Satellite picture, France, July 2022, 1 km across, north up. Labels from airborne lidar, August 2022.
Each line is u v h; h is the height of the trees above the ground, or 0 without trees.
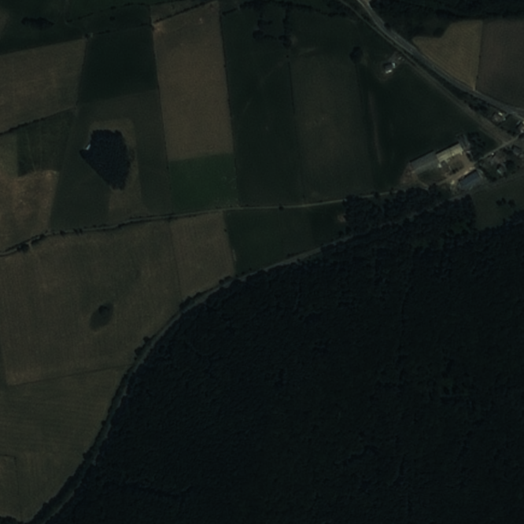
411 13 19
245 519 20
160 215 0
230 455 20
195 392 26
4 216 0
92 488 27
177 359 27
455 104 0
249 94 0
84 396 0
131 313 0
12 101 0
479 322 22
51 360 0
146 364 8
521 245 26
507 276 23
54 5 0
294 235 0
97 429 0
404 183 0
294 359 27
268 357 28
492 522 25
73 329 0
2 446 0
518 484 26
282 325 25
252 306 18
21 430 0
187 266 0
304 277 25
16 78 0
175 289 0
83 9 0
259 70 0
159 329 0
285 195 0
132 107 0
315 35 0
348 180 0
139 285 0
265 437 17
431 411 26
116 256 0
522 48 0
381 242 19
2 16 0
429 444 28
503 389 24
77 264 0
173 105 0
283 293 23
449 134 0
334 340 27
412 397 25
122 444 26
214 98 0
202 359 26
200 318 24
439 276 26
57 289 0
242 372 22
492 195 0
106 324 0
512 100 0
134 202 0
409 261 17
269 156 0
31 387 0
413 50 0
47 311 0
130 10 0
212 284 0
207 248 0
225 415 24
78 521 28
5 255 0
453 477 26
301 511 28
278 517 21
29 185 0
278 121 0
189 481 21
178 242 0
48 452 0
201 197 0
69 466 0
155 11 0
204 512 20
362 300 22
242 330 25
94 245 0
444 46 0
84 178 0
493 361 25
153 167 0
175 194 0
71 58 0
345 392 27
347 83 0
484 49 0
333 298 25
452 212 21
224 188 0
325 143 0
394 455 28
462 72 0
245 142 0
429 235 21
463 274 26
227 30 0
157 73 0
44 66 0
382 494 28
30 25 14
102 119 0
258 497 22
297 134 0
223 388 22
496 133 0
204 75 0
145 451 23
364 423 27
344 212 0
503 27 0
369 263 12
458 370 26
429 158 0
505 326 24
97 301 0
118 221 0
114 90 0
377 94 0
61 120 0
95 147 22
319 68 0
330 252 15
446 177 0
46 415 0
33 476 0
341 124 0
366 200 6
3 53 0
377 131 0
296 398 18
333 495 29
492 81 0
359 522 27
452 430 24
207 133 0
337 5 7
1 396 0
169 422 24
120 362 0
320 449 26
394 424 26
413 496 26
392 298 25
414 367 31
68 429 0
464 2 20
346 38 0
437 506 25
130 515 27
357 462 31
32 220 0
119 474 18
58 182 0
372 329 20
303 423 18
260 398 22
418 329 21
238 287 19
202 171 0
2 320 0
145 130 0
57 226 0
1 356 0
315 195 0
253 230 0
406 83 0
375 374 25
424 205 20
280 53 0
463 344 22
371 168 0
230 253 0
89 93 0
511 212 0
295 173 0
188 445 23
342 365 27
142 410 26
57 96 0
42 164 0
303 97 0
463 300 21
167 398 25
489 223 0
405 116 0
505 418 24
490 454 23
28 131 0
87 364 0
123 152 20
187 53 0
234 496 17
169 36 0
